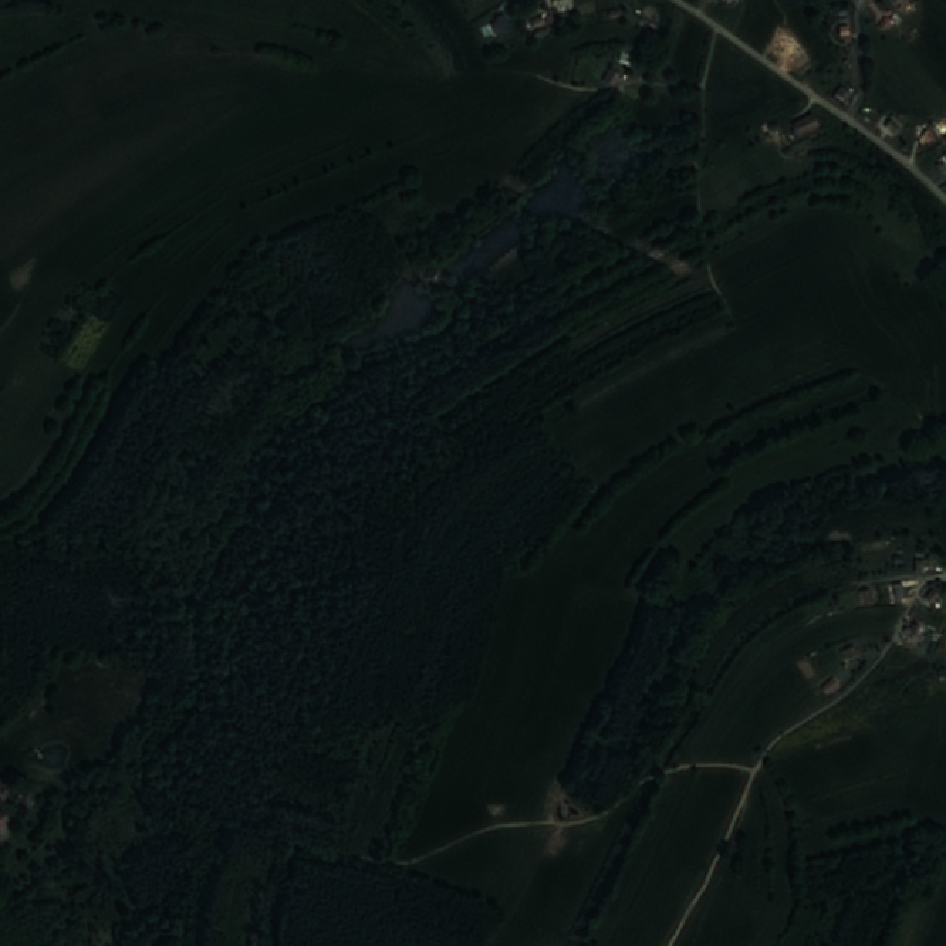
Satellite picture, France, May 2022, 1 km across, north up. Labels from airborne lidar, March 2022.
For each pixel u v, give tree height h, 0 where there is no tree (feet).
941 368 0
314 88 0
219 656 87
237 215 0
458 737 0
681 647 76
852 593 0
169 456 73
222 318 41
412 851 0
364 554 47
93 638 57
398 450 85
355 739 52
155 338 0
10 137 0
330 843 84
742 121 0
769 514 71
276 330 69
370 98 0
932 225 23
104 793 73
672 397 0
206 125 0
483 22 0
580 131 56
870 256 0
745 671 0
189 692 91
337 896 62
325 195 0
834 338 0
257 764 102
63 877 62
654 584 82
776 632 0
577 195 0
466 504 32
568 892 0
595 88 0
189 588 74
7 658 28
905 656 0
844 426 0
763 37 0
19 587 45
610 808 28
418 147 0
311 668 97
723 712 0
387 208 0
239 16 0
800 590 0
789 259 0
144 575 85
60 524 73
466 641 59
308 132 0
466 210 53
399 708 50
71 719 0
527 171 25
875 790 0
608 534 0
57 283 0
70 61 0
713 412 0
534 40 43
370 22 0
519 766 0
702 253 47
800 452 0
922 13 0
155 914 68
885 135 0
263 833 96
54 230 0
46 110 0
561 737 0
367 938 64
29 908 59
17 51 0
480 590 50
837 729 0
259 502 100
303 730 77
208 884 19
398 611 53
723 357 0
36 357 0
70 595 64
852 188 48
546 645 0
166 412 114
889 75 0
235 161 0
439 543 26
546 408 20
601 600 0
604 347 23
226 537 76
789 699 0
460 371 79
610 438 0
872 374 0
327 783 54
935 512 43
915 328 0
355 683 49
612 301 55
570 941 0
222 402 91
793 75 0
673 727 60
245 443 52
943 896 0
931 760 0
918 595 0
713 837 0
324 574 46
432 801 0
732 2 0
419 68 0
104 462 102
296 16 0
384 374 102
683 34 0
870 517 0
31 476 0
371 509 53
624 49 24
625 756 71
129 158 0
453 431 22
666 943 0
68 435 47
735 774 0
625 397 0
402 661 52
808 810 0
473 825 0
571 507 58
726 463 66
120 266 0
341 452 83
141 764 50
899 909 57
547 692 0
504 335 43
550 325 89
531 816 0
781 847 0
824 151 25
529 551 23
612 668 0
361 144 0
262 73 0
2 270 0
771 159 0
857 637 0
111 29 47
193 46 0
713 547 18
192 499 85
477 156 0
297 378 45
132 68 0
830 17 24
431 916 68
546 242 56
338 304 61
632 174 50
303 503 117
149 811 99
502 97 0
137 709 0
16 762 0
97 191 0
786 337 0
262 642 110
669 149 70
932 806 0
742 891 0
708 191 0
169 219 0
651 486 0
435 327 60
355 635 60
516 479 25
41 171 0
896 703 0
